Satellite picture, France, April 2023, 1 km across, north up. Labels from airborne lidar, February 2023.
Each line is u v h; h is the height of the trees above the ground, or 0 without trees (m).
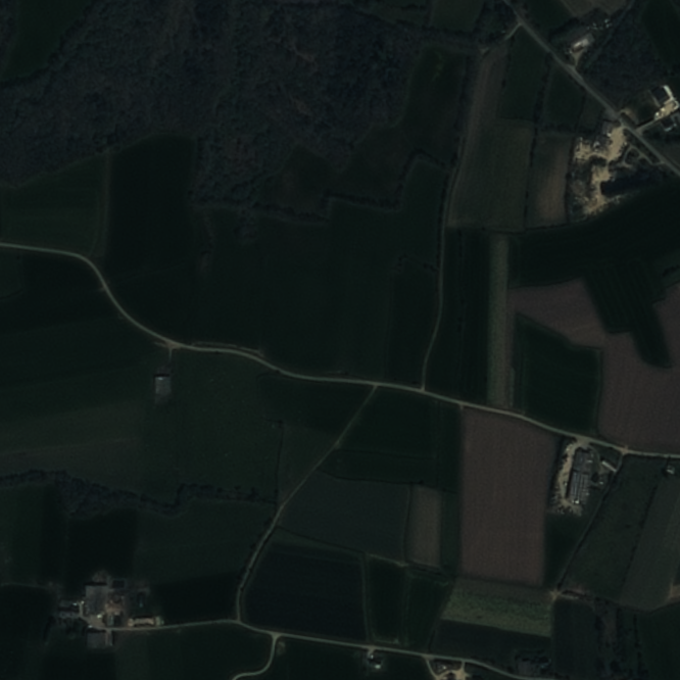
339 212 0
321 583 0
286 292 0
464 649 0
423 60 0
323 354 0
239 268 0
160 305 0
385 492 0
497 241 0
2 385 0
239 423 0
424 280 0
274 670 0
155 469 0
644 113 0
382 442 0
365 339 0
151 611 0
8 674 0
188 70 18
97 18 12
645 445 0
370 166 0
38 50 0
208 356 0
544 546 0
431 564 0
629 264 0
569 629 0
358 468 0
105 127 15
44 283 0
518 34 0
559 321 0
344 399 0
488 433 0
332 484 0
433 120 0
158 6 16
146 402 0
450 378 0
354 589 0
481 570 0
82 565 0
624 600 0
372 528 0
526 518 0
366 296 0
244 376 0
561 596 0
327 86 9
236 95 7
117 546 0
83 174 0
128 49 10
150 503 9
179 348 0
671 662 0
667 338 0
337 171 10
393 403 0
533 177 0
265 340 0
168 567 0
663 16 0
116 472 0
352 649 0
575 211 0
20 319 0
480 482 0
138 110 19
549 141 0
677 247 0
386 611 0
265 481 0
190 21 12
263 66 16
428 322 0
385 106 17
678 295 0
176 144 0
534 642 0
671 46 0
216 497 9
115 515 0
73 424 0
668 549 0
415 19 0
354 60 16
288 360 0
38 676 0
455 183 0
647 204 0
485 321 0
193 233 0
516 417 0
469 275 0
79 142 16
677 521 0
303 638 0
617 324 0
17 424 0
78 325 0
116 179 0
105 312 0
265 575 0
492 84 0
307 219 11
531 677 9
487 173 0
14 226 0
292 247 0
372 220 0
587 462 0
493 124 0
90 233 0
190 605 0
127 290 0
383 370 0
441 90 0
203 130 10
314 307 0
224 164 8
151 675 0
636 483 0
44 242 0
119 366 0
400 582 0
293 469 0
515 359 0
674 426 0
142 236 0
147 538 0
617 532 0
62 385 0
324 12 17
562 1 0
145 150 0
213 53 11
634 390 0
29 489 0
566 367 0
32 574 0
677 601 0
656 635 0
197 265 0
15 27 12
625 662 6
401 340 0
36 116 16
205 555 0
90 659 0
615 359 0
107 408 0
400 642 0
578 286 0
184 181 0
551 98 0
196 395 0
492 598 0
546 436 0
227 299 0
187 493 8
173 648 0
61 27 0
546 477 0
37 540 0
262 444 0
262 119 11
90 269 0
